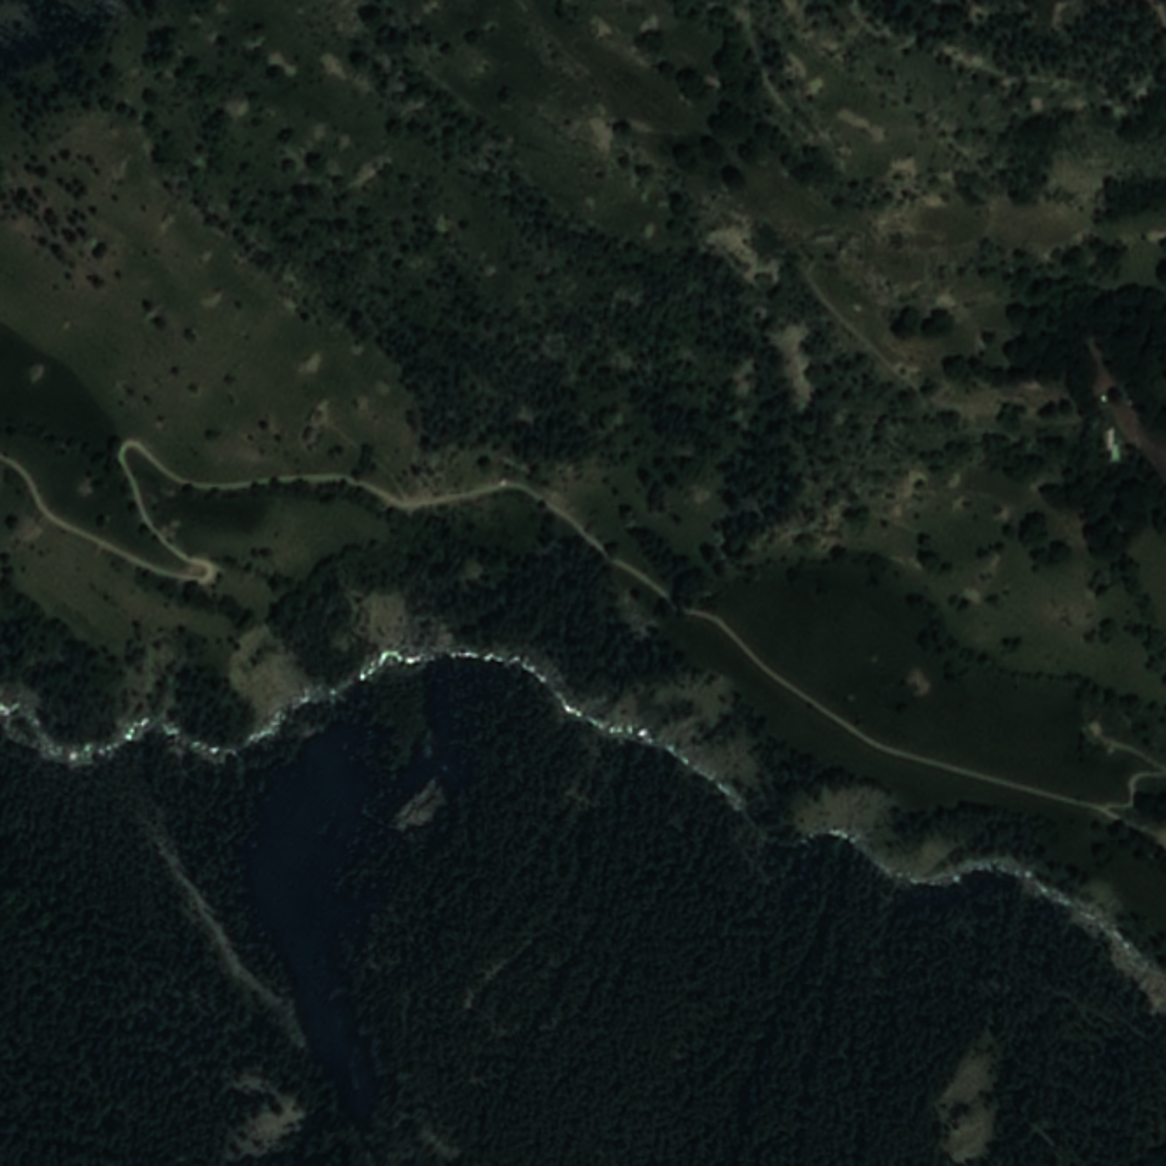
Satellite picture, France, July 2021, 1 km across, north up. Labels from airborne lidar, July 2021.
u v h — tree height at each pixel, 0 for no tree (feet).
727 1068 75
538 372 36
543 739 63
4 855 68
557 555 30
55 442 34
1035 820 31
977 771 0
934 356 0
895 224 0
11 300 0
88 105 43
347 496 26
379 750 76
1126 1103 91
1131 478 26
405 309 33
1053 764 0
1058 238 0
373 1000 56
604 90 0
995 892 88
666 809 76
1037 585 0
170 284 0
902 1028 88
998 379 50
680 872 103
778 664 0
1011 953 97
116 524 0
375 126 0
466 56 0
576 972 33
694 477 48
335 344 0
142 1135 68
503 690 59
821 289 0
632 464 39
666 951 77
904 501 0
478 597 66
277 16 0
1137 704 50
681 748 0
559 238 34
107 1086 92
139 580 17
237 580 0
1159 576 0
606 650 78
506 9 0
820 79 0
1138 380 67
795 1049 73
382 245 33
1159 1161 66
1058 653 0
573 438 33
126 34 0
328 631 41
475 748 35
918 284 0
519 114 0
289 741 42
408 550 28
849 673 0
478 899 55
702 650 0
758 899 85
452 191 0
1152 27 31
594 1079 87
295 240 41
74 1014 96
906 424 27
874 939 112
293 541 0
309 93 0
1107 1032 93
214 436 24
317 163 54
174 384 0
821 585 35
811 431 34
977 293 0
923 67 0
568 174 0
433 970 69
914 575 0
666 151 0
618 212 0
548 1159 86
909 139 0
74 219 44
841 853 41
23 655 40
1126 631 20
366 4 0
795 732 0
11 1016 92
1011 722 0
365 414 0
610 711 0
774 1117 88
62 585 0
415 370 45
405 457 0
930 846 0
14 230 0
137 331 0
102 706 37
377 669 0
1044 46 34
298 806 52
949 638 27
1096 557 39
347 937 50
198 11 21
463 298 31
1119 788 0
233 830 97
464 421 35
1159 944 75
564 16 41
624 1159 67
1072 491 55
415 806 0
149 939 58
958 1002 113
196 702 41
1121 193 63
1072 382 44
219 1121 86
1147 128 31
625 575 0
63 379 0
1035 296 43
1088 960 70
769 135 40
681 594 54
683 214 62
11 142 0
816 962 80
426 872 85
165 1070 98
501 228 0
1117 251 46
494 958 39
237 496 25
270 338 0
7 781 88
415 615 26
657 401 55
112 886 76
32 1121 54
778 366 63
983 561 29
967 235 0
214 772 34
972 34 38
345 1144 24
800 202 0
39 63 40
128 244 0
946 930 81
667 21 0
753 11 32
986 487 0
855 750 0
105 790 18
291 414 0
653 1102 69
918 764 0
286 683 0
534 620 104
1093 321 79
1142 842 65
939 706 0
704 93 55
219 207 0
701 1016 31
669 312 53
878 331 0
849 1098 73
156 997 30
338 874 64
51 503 0
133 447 0
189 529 0
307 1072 57
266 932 62
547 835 27
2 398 0
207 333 0
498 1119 77
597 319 31
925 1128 71
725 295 34
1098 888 0
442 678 24
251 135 0
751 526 58
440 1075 54
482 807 74
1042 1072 77
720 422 41
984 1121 0
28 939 76
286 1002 68
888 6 48
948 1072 63
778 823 52
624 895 78
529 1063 66
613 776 22
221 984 45
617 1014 89
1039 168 41
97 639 0
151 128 52
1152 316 68
